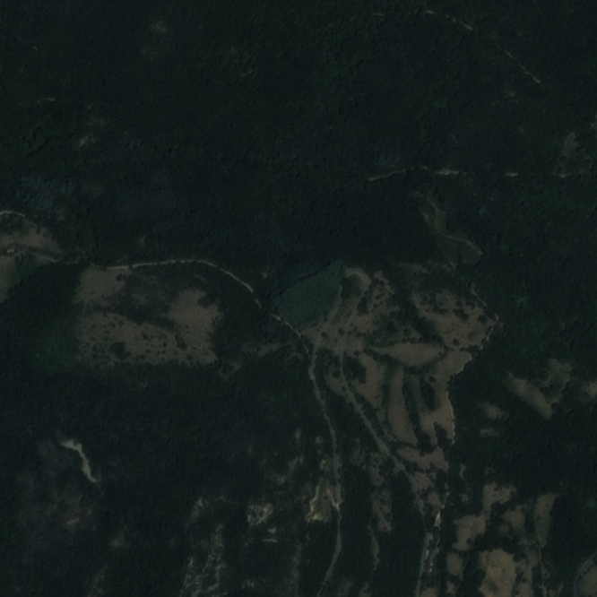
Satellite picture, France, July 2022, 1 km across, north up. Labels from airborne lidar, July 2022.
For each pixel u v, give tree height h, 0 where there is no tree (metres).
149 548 13
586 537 13
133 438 8
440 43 14
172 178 10
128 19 14
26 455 10
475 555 15
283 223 13
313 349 9
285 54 10
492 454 12
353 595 10
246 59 13
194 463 14
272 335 13
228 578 7
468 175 9
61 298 12
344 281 12
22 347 10
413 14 11
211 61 15
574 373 9
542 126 11
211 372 9
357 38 20
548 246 20
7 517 6
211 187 19
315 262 11
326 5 13
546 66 7
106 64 14
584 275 14
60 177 22
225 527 8
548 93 10
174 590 10
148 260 9
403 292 8
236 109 15
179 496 11
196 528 8
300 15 19
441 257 10
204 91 21
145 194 23
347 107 20
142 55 11
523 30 7
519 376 11
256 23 19
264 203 17
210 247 9
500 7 9
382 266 7
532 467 18
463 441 10
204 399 14
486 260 19
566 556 18
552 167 15
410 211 13
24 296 13
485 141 11
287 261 11
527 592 0
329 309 14
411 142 14
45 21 9
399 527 12
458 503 8
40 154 19
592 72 18
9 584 8
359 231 19
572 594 15
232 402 11
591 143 17
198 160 21
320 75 23
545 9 9
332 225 21
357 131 19
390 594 12
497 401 14
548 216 11
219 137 20
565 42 10
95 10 11
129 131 17
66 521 0
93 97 12
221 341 7
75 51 12
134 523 7
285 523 10
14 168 17
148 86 12
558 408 14
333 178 12
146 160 24
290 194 14
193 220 25
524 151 12
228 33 11
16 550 6
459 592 7
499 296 15
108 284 0
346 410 10
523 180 11
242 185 19
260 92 17
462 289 8
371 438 12
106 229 14
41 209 21
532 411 17
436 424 8
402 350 0
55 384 15
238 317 14
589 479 20
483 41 12
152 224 23
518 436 14
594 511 9
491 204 13
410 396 10
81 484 8
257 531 10
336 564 7
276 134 18
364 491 10
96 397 13
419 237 14
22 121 13
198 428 8
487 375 17
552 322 20
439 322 0
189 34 13
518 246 21
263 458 6
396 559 12
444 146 11
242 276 11
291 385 10
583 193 16
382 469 9
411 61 9
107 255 18
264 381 11
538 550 7
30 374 13
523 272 17
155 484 10
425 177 16
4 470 8
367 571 10
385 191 16
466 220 19
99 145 11
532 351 14
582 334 19
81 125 13
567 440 17
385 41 20
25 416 8
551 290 15
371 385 0
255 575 8
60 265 13
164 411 11
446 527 10
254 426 8
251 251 25
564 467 22
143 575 20
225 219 23
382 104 16
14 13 8
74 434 7
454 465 11
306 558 10
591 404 6
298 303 16
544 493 10
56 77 10
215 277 9
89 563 8
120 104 12
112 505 12
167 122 16
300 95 16
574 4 12
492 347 10
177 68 12
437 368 0
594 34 11
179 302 0
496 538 15
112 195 12
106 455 9
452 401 9
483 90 13
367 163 16
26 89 12
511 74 12
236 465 5
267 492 9
